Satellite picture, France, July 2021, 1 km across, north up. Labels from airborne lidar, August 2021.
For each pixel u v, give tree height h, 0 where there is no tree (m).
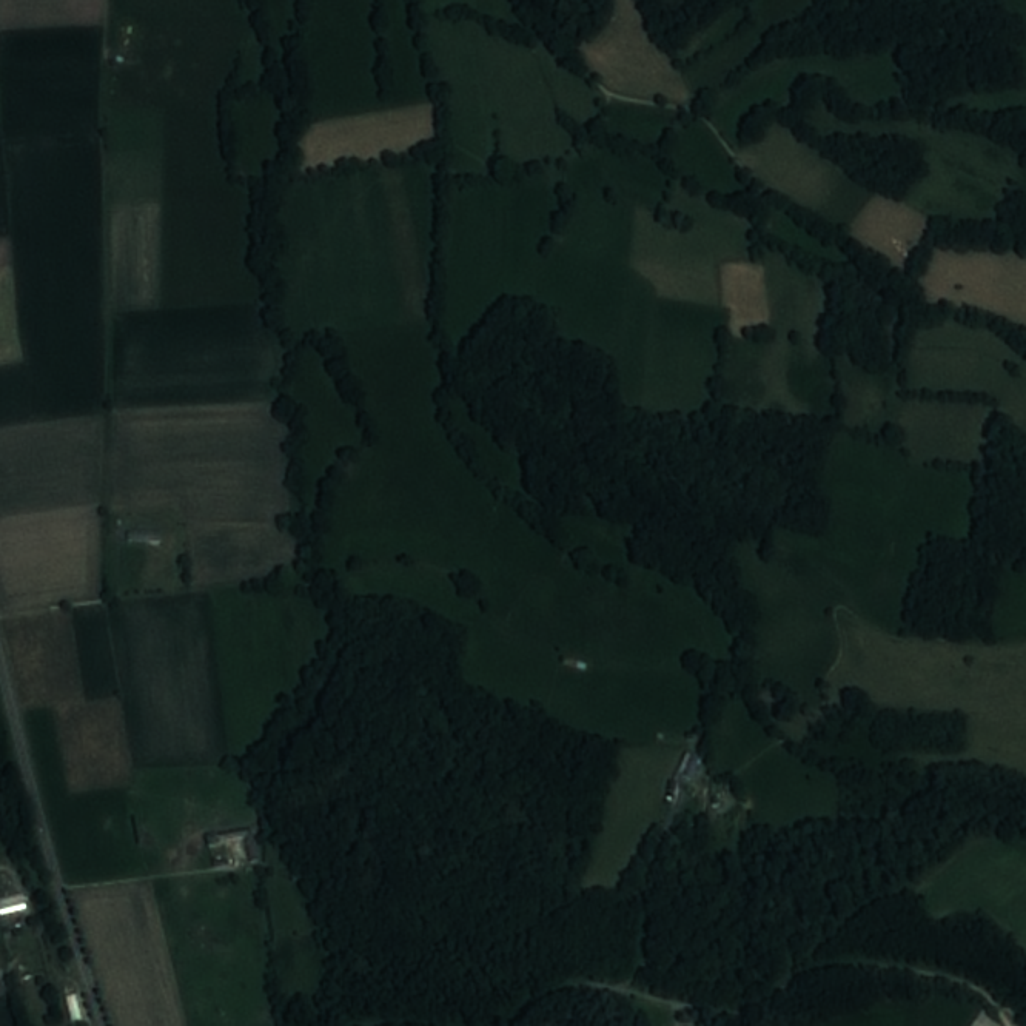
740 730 0
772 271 0
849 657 0
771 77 0
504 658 0
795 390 0
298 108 18
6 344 0
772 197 19
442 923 27
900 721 17
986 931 19
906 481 0
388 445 0
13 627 0
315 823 22
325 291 0
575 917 22
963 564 18
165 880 0
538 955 23
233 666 0
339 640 15
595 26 15
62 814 0
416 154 18
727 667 21
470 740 26
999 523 25
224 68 0
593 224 0
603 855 0
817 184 0
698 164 0
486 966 20
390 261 0
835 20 22
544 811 26
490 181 14
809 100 21
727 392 11
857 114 23
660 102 16
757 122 22
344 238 0
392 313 0
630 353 0
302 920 0
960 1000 13
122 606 13
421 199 0
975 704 0
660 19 20
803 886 30
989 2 21
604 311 0
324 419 0
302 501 8
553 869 24
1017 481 22
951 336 0
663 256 0
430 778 27
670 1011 0
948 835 25
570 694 0
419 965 22
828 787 0
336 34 0
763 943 33
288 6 0
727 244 0
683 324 0
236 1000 0
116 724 0
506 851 21
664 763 0
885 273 27
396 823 29
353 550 0
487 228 0
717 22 13
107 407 10
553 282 0
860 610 0
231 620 0
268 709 0
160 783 0
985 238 20
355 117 0
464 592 18
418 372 0
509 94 0
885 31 26
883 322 27
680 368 0
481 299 0
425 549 0
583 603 0
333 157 0
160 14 0
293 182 18
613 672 0
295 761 32
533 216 0
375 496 0
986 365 0
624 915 22
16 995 13
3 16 0
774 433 23
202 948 0
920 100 19
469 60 0
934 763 0
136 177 0
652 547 27
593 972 20
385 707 24
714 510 31
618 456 25
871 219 0
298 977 0
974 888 0
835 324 21
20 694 0
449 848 13
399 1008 28
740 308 0
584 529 0
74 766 0
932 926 10
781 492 20
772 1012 21
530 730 26
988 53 27
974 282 0
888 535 0
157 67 0
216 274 0
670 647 0
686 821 6
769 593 0
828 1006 23
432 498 0
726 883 18
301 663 0
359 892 25
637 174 0
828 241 23
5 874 0
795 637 0
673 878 20
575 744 12
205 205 0
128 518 0
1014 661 0
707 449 25
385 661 21
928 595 20
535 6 23
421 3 20
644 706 0
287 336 20
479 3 0
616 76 0
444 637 25
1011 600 0
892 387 0
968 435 0
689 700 0
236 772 15
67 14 0
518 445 20
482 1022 24
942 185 0
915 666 0
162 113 0
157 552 0
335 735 26
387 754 28
